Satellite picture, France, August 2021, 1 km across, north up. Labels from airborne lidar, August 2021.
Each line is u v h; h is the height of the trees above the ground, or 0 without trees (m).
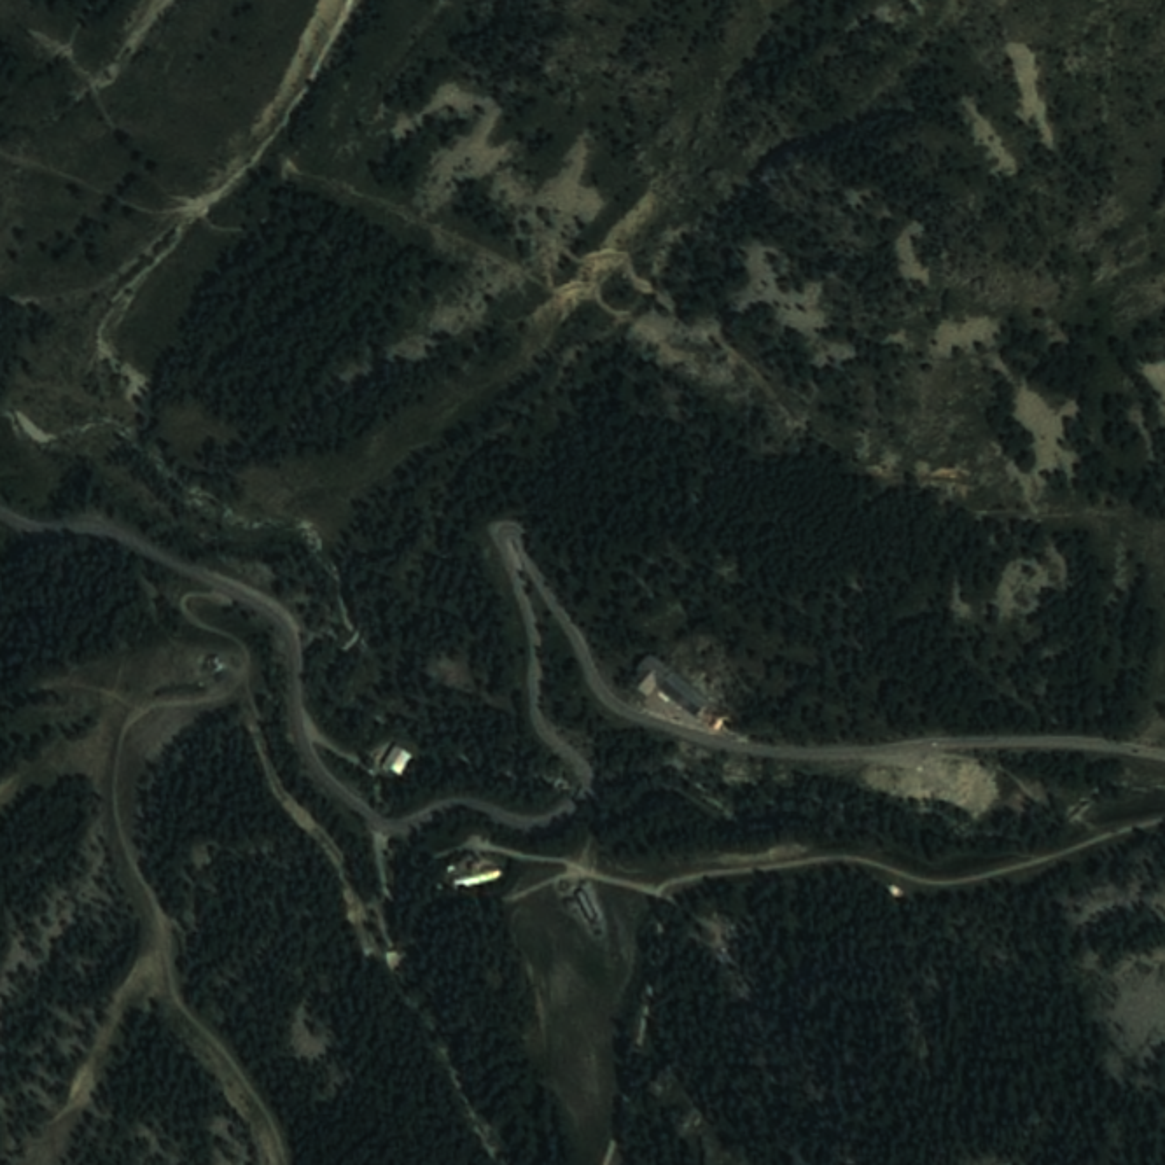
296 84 0
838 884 22
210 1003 18
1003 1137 8
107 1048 0
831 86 8
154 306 0
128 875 0
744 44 0
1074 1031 19
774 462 14
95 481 18
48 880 16
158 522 6
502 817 0
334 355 20
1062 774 14
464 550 26
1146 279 0
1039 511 0
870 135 10
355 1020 24
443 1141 23
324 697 6
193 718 0
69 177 0
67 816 16
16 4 0
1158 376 0
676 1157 15
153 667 0
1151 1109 7
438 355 15
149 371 0
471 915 26
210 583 0
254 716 0
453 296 0
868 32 9
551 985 0
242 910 24
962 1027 22
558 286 0
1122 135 0
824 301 0
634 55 8
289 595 16
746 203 14
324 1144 20
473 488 19
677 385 6
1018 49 0
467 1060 32
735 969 13
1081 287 0
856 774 0
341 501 0
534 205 0
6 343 26
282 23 0
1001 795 0
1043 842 23
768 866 0
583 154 0
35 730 0
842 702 24
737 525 20
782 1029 10
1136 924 15
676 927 16
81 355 0
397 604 18
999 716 27
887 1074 7
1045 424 0
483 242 0
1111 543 0
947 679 25
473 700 13
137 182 18
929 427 0
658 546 26
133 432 0
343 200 0
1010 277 0
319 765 0
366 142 0
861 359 8
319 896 18
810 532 18
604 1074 0
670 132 0
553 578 11
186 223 0
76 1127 0
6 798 0
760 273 0
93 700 0
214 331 26
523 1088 20
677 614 0
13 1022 19
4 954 20
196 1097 18
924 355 9
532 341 0
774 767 11
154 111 0
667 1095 0
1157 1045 0
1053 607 22
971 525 20
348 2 0
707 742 0
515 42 23
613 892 0
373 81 0
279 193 9
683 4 9
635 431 21
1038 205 12
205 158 0
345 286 19
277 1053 20
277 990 15
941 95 8
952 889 0
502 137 0
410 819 0
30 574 27
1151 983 0
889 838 25
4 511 0
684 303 17
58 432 0
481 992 18
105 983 14
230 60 0
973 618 0
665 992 13
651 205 0
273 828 27
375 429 21
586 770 0
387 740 0
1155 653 25
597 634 13
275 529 0
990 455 0
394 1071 14
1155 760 0
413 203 0
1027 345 23
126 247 0
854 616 18
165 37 0
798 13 0
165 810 15
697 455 11
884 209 0
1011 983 10
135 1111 11
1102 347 0
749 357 0
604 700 0
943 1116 16
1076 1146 14
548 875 0
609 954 0
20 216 0
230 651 0
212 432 0
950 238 10
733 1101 24
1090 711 25
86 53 0
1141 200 0
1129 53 9
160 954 0
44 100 0
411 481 17
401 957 0
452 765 22
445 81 0
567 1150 22
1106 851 0
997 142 0
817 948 25
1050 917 15
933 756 0
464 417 0
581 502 21
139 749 0
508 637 17
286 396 28
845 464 19
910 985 12
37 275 0
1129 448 21
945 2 0
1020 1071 15
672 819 10
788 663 17
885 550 20
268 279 23
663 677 0
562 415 0
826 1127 10
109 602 28
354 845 17
